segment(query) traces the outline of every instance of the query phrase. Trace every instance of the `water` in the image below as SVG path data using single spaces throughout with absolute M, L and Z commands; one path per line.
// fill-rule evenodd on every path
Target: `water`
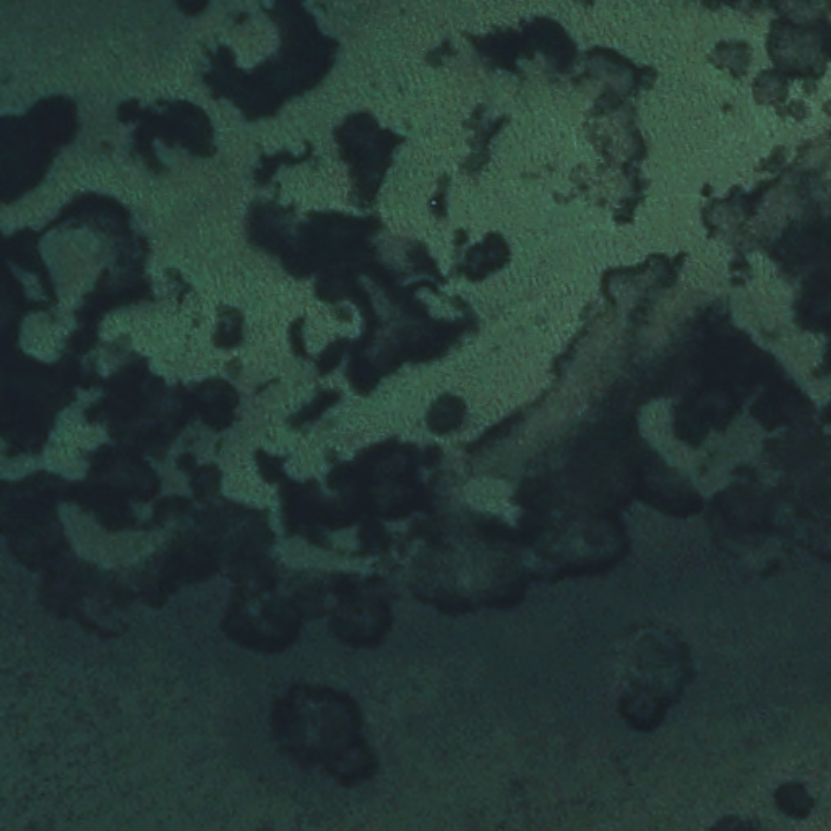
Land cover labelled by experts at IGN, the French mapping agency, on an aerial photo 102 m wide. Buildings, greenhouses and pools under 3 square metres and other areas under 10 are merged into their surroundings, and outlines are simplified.
M 831 831 L 831 0 L 0 0 L 0 831 Z

